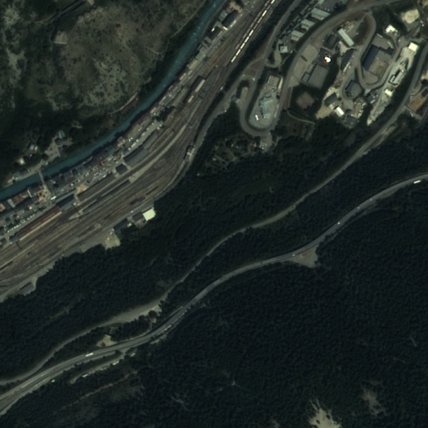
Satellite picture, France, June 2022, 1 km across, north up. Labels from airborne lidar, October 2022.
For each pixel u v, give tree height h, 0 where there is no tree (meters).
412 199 11
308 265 0
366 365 24
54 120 15
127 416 28
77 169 0
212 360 19
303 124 0
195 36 0
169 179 0
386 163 15
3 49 6
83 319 14
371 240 17
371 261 19
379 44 0
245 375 15
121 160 0
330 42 0
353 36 0
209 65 0
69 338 9
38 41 7
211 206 11
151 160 0
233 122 8
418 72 0
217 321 16
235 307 19
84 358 0
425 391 20
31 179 0
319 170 15
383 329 25
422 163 16
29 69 10
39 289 15
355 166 12
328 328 36
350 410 10
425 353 18
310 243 10
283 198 15
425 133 11
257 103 0
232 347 25
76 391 10
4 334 15
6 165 20
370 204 0
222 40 7
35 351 16
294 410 22
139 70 0
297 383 29
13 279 0
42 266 0
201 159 9
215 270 16
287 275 20
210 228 20
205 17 0
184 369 21
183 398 17
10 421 13
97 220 0
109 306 22
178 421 17
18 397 0
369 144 0
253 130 0
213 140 8
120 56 0
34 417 10
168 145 0
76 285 20
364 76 0
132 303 18
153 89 14
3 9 8
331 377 22
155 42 0
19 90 6
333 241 7
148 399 8
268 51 0
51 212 0
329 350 30
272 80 0
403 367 24
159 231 12
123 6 8
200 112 0
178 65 0
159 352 16
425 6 0
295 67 0
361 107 0
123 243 12
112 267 22
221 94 7
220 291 8
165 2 9
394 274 22
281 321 23
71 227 0
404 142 12
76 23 7
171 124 0
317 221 16
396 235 19
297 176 12
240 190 9
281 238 11
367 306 18
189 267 11
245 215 25
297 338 22
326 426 0
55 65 9
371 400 0
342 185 13
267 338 21
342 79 0
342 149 6
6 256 0
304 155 11
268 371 29
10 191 0
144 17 8
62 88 0
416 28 0
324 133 0
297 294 20
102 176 0
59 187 0
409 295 24
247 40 0
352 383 21
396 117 0
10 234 0
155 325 10
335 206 10
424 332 21
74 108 8
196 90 0
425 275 27
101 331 13
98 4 14
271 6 0
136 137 0
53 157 0
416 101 0
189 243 21
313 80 0
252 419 17
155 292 10
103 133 11
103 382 8
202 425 16
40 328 13
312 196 12
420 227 18
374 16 0
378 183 16
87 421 9
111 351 0
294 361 29
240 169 9
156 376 21
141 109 0
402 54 0
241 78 0
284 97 0
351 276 16
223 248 10
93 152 0
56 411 10
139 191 0
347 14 0
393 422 28
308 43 0
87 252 8
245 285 13
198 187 15
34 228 0
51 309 12
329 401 17
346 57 0
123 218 0
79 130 8
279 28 0
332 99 0
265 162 16
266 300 31
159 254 12
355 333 23
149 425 15
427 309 23
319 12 0
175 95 0
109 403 8
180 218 9
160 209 6
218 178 16
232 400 11
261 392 16
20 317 17
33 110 9
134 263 17
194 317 17
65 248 0
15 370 10
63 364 0
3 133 7
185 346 25
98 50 6
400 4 0
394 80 0
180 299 10
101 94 6
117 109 5
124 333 15
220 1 0
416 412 23
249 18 0
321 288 34
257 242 21
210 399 7
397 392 23
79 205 0
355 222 8
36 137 6
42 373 0
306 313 33
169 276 9
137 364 13
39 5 10
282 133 8
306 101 0
